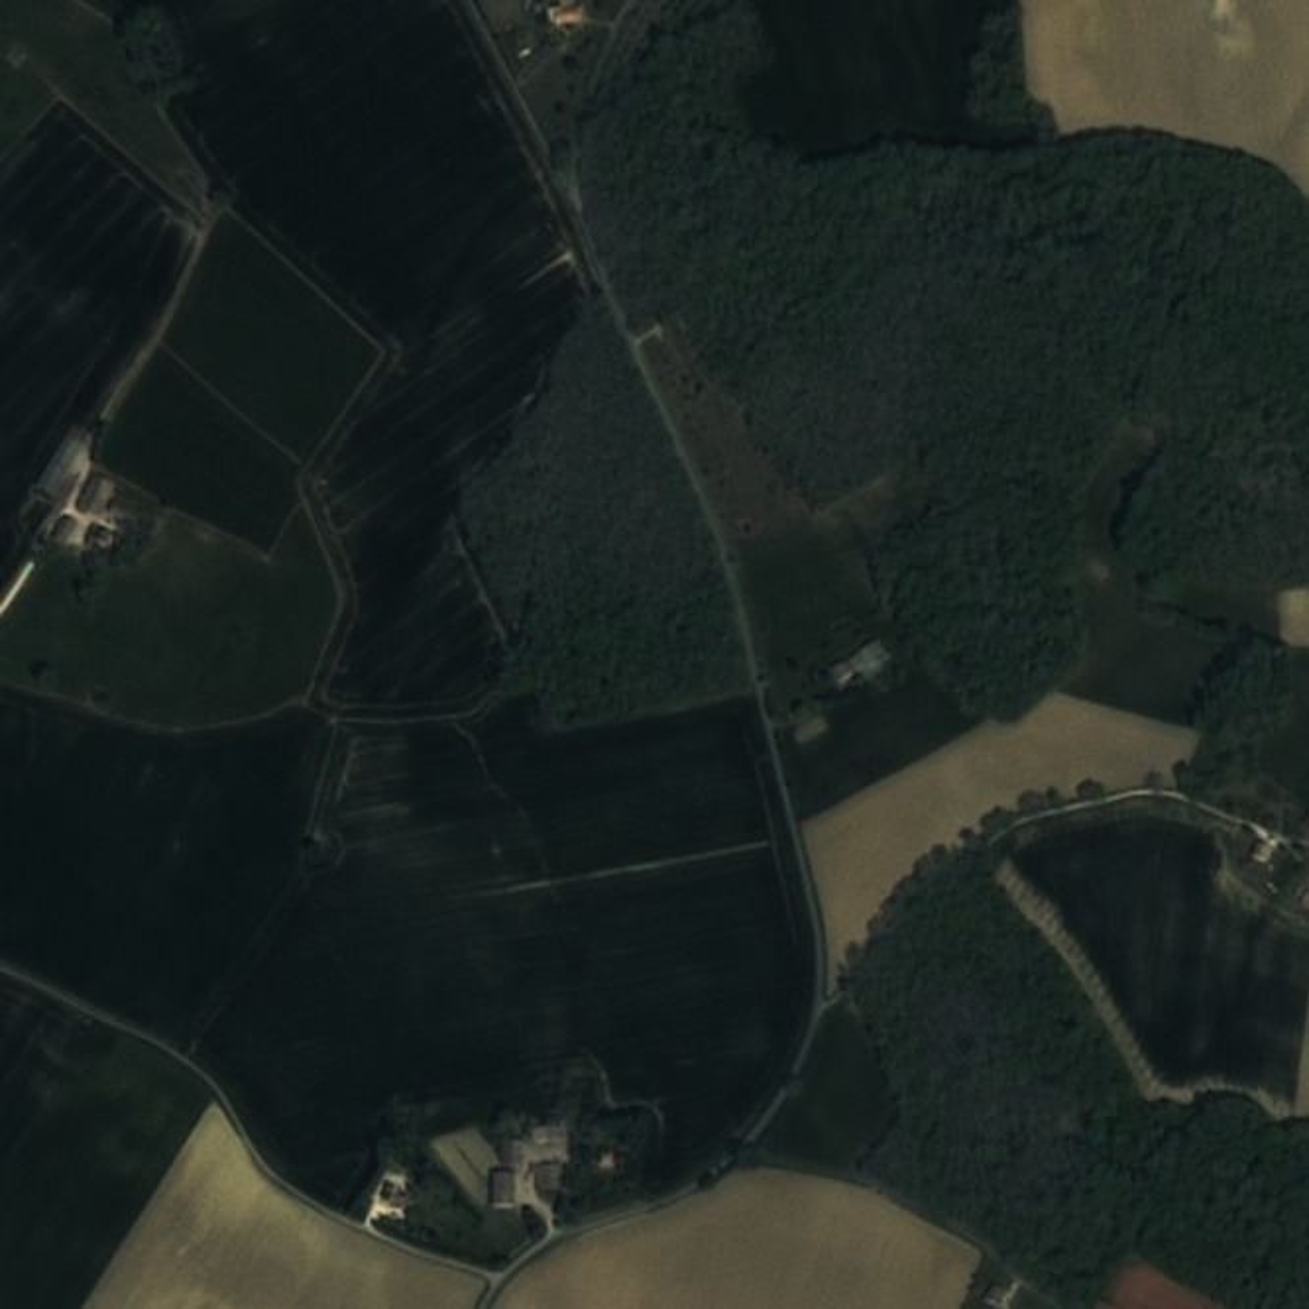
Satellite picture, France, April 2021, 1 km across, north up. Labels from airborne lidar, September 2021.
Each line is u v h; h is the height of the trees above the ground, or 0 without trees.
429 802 0
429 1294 0
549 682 19
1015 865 0
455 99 0
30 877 0
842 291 21
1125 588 0
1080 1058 23
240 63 0
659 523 17
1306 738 0
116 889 0
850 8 0
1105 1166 22
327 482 0
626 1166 9
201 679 0
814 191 21
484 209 0
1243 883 0
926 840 0
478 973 0
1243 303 17
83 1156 0
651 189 21
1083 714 0
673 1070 0
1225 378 21
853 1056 0
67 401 0
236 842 0
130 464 0
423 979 0
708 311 14
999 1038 20
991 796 0
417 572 0
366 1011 0
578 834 0
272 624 0
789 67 0
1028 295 19
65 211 0
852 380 17
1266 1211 24
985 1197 19
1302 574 15
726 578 16
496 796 0
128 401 0
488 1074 0
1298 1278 25
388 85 0
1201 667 0
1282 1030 0
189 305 0
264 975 0
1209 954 0
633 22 12
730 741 0
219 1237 0
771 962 0
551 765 0
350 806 0
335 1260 0
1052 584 25
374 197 0
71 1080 0
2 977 0
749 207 24
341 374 0
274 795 0
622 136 22
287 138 0
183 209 0
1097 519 0
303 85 0
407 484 0
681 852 0
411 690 0
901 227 17
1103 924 0
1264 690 25
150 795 0
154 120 0
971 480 24
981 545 19
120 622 0
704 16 11
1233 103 0
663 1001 0
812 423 16
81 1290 0
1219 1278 22
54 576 0
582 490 16
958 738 0
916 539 17
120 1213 0
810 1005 0
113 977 0
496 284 0
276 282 0
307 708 0
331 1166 0
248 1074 0
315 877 0
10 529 0
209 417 0
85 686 0
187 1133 0
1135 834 0
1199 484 16
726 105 21
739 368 16
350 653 0
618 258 15
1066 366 21
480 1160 0
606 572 18
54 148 0
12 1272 0
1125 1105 14
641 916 0
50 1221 0
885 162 19
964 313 19
